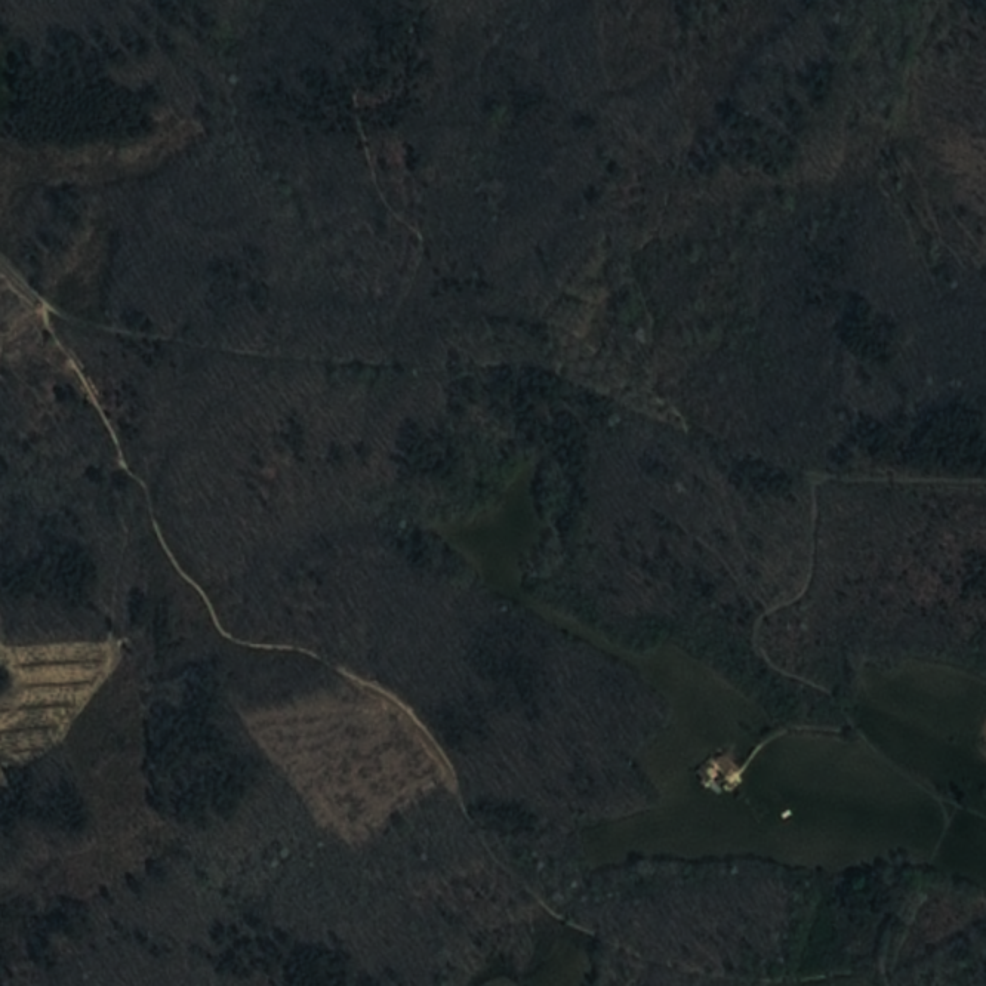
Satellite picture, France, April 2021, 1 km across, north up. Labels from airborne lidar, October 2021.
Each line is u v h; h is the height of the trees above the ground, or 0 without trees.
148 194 18
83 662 0
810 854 0
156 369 12
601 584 16
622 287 16
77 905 10
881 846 0
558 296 15
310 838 20
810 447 12
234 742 21
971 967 17
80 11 18
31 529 20
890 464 22
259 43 12
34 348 0
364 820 0
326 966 24
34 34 14
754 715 0
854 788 0
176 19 31
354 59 10
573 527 26
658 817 0
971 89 7
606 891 16
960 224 7
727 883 18
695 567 15
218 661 9
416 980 15
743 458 20
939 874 15
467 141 13
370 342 16
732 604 14
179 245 20
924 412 20
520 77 10
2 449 21
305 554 19
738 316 10
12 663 0
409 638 21
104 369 7
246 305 19
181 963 13
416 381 16
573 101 17
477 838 23
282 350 13
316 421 19
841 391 13
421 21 6
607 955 21
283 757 0
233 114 31
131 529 12
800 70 18
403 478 30
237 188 20
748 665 12
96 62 16
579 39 19
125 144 28
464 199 15
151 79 17
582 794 13
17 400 10
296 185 24
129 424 6
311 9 15
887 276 14
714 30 23
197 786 23
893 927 18
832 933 6
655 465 20
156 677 10
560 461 29
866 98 23
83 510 21
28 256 12
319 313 19
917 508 9
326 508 19
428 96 10
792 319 11
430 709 19
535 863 17
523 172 14
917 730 0
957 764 0
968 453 21
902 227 13
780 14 14
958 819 0
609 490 18
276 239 18
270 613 13
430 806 18
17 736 0
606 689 17
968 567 9
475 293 10
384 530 20
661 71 10
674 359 9
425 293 7
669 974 14
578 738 18
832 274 6
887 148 10
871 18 26
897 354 21
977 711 0
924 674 0
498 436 16
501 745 15
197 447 17
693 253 26
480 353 15
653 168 6
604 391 16
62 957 10
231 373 16
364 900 19
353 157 9
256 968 17
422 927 18
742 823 0
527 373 14
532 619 18
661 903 16
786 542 19
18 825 14
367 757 0
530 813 18
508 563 0
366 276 15
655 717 15
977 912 8
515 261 13
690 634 16
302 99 10
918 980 16
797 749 0
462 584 27
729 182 11
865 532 10
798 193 10
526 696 20
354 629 20
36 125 25
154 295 20
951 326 20
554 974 0
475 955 14
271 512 21
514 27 21
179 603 8
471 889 14
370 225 17
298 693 14
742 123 27
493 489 14
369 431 18
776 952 15
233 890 9
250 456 18
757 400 16
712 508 17
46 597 17
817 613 6
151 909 15
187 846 18
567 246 14
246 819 23
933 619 11
